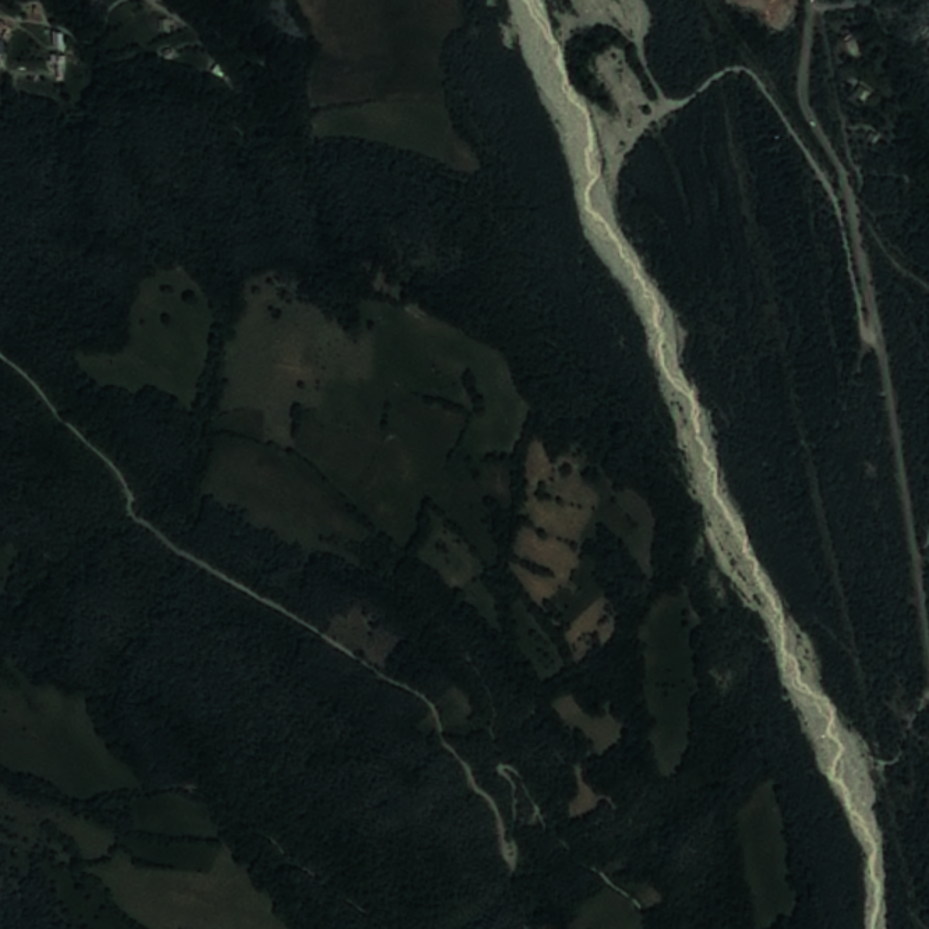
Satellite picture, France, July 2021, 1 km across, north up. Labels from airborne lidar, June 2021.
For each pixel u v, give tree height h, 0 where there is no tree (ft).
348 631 0
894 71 43
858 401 19
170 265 27
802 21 24
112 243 48
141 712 33
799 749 23
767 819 0
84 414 58
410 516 0
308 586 34
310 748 28
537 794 28
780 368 25
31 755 0
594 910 0
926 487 19
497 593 34
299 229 28
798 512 28
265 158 44
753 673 27
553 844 35
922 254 30
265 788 38
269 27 40
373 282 26
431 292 33
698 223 30
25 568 31
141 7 22
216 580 26
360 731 32
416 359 0
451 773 24
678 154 30
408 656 52
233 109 26
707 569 26
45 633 41
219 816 38
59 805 27
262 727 35
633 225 24
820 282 31
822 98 19
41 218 37
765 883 0
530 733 49
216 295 49
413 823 25
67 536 36
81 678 33
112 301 47
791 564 27
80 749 0
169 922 0
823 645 19
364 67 0
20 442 49
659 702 0
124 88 35
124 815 37
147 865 35
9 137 37
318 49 34
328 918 53
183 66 22
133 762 67
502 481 0
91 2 37
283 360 0
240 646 36
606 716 31
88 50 27
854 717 31
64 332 42
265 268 34
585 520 0
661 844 27
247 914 0
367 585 46
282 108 72
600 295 25
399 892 27
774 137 21
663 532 45
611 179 0
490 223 20
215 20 69
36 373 48
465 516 0
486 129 33
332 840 31
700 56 21
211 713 39
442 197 43
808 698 0
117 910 28
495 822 19
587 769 28
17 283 32
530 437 34
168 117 40
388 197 38
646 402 39
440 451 0
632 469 37
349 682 51
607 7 0
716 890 33
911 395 26
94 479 29
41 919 26
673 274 31
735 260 24
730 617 23
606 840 25
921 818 34
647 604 31
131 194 45
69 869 21
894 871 26
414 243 25
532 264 37
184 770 49
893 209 27
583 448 26
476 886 27
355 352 0
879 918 0
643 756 52
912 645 29
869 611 30
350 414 0
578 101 0
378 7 0
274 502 0
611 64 0
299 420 27
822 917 34
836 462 24
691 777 38
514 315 32
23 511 42
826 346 35
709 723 44
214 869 0
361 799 23
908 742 22
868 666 21
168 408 50
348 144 33
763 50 29
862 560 26
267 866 44
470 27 31
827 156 29
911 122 31
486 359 0
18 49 0
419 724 26
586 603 0
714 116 24
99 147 37
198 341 0
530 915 37
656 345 0
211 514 36
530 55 0
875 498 22
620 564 38
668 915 52
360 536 0
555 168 22
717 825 38
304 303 26
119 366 0
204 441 69
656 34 24
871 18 43
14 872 17
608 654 60
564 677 31
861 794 0
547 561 0
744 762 39
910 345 25
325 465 0
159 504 51
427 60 0
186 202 30
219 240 43
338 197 24
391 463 0
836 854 32
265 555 24
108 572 39
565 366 38
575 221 19
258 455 0
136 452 41
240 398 0
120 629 22
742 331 30
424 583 31
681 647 0
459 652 28
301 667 27
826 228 24
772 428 26
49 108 40
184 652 35
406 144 0
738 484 29
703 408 34
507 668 32
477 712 32
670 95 23
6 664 29
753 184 23
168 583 23
